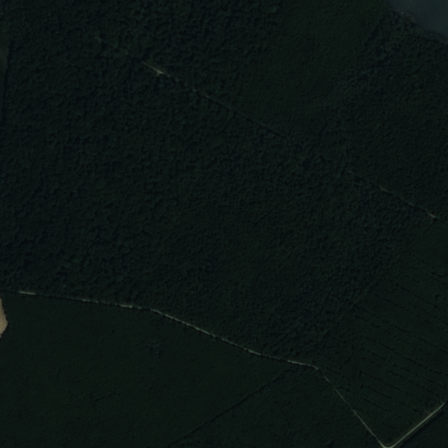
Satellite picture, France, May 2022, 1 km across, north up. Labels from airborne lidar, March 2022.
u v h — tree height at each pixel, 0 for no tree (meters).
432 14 0
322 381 17
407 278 16
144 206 28
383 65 28
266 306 25
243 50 22
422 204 21
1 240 26
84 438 17
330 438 15
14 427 12
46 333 14
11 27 19
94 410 13
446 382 10
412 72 25
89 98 30
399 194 16
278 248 22
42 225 25
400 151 21
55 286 26
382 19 20
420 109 20
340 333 16
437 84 29
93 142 28
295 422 17
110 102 26
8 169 24
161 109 25
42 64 19
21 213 29
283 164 26
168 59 27
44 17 26
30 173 27
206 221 22
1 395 12
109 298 11
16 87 26
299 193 28
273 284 20
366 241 27
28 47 27
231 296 21
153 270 22
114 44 30
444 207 23
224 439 19
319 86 17
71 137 25
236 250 22
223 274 22
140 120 24
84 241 30
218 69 27
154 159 26
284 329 28
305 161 0
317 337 21
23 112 27
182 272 23
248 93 16
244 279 19
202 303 22
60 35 24
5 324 0
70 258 29
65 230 27
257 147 28
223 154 30
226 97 26
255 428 17
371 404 14
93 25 24
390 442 14
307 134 15
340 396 13
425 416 7
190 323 16
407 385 14
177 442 16
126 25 30
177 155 24
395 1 0
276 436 18
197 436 18
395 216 24
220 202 23
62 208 31
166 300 24
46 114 25
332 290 20
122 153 26
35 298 12
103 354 13
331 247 26
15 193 27
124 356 14
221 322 21
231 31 26
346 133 27
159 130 27
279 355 22
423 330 15
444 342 14
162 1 23
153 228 28
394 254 25
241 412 16
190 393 13
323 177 31
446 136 24
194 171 26
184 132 18
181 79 22
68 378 13
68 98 24
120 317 11
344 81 23
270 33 18
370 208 23
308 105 24
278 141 24
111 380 12
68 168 30
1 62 0
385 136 21
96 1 24
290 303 24
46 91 26
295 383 15
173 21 25
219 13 26
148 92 22
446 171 25
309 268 25
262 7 27
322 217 23
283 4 22
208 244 23
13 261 25
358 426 15
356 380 15
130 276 24
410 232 23
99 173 27
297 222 24
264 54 14
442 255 15
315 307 25
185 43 28
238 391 12
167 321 12
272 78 17
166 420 12
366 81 29
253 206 28
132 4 30
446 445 14
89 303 10
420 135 24
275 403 17
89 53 24
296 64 16
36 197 27
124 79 10
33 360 14
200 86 29
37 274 30
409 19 0
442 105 25
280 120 19
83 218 24
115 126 21
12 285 24
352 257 25
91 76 29
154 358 12
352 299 25
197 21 14
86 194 27
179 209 21
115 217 29
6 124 21
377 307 17
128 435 11
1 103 0
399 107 20
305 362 0
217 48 21
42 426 11
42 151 25
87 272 30
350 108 23
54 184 30
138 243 26
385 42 32
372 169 19
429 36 6
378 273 21
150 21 21
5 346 13
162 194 30
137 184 29
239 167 24
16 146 27
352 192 28
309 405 18
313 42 16
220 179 23
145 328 13
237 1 28
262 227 20
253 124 21
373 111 22
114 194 28
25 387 13
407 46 25
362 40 17
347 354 17
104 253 25
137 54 19
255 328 23
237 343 22
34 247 31
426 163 22
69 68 25
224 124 21
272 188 24
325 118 18
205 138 28
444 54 24
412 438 10
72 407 13
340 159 27
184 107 28
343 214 24
